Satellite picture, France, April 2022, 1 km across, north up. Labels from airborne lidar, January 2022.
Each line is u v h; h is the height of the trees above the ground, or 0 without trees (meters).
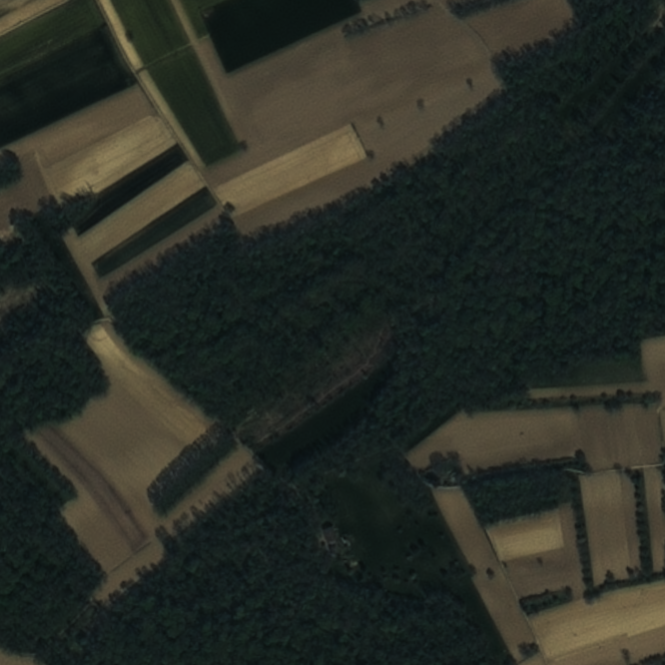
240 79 0
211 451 34
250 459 0
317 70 0
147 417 0
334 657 18
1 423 26
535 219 28
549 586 0
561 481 21
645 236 29
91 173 0
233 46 0
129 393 0
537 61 28
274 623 22
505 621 0
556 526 0
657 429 0
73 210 26
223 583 30
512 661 14
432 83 0
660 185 31
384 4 0
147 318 24
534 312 29
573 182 29
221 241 27
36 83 0
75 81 0
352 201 19
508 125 29
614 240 26
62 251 0
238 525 31
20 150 0
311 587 31
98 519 0
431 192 31
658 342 0
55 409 25
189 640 25
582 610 0
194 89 0
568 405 0
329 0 0
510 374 25
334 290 28
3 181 26
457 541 0
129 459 0
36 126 0
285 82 0
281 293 28
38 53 0
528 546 0
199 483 32
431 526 0
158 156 0
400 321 25
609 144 33
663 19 0
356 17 0
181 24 0
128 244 0
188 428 0
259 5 0
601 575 0
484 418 0
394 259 30
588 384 0
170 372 23
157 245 0
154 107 0
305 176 0
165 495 34
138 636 30
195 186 0
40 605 28
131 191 0
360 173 0
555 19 0
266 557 31
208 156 0
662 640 0
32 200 0
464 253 25
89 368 32
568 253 29
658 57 0
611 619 0
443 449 0
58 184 0
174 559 31
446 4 0
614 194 29
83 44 0
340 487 0
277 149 0
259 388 34
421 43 0
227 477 0
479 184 34
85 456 0
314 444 0
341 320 29
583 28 26
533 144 27
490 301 31
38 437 0
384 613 32
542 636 0
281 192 0
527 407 0
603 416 0
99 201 0
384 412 22
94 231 0
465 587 0
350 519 0
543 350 28
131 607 30
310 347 12
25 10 0
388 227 31
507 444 0
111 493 0
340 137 0
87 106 0
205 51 0
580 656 0
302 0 0
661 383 0
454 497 0
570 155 34
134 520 0
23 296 0
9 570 31
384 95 0
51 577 30
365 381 0
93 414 0
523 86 26
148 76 0
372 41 0
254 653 25
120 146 0
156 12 0
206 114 0
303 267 17
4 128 0
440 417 0
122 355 0
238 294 23
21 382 28
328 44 0
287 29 0
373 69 0
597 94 0
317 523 27
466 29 0
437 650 27
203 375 31
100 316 0
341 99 0
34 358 27
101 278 0
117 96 0
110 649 29
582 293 28
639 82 0
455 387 29
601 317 29
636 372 0
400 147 0
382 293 31
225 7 0
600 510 0
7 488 35
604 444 0
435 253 33
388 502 0
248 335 33
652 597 0
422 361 30
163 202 0
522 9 0
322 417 0
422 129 0
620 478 0
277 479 30
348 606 31
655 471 0
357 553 0
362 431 26
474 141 30
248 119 0
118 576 0
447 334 32
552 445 0
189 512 0
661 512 0
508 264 31
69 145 0
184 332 29
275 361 33
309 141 0
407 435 30
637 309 30
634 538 0
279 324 35
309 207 0
